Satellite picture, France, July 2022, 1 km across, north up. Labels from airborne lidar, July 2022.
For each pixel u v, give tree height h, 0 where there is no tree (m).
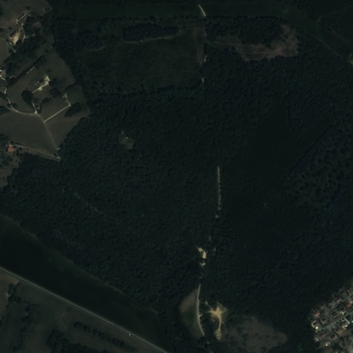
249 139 13
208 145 24
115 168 8
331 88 23
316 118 24
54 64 0
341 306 9
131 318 0
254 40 26
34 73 0
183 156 25
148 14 0
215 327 0
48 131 0
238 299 18
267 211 12
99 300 0
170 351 0
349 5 14
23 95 14
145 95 29
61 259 0
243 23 23
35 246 0
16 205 16
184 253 24
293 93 26
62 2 24
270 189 12
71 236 22
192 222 17
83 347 8
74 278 0
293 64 23
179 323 6
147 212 19
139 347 0
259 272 12
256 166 12
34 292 0
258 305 19
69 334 0
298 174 24
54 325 0
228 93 28
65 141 11
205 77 24
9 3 0
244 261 12
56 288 0
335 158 24
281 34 20
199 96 28
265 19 22
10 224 0
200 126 23
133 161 18
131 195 11
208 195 17
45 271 0
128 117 25
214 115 26
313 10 20
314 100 25
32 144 0
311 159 21
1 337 0
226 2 24
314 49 23
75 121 0
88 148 15
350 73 23
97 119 18
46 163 17
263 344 0
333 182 21
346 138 21
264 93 29
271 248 14
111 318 0
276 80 23
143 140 22
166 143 25
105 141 16
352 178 21
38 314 0
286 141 13
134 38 24
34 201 21
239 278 11
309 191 21
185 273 25
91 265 25
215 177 19
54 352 9
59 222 20
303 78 22
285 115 12
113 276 24
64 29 24
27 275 0
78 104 10
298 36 0
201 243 25
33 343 0
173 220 16
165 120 22
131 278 22
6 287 0
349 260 23
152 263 21
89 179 15
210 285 13
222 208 7
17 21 0
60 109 0
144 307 15
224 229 10
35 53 7
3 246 0
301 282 23
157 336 0
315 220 26
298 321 20
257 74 24
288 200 12
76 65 17
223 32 28
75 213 19
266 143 12
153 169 21
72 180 19
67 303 0
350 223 21
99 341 0
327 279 26
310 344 14
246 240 12
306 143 13
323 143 25
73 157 18
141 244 17
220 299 10
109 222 16
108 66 6
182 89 22
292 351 17
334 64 23
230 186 15
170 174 20
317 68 22
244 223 11
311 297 23
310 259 22
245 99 29
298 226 13
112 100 27
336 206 24
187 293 17
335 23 6
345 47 6
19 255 0
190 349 23
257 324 0
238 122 28
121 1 19
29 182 18
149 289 19
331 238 22
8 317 0
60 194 20
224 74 28
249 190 12
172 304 19
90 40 28
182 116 27
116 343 14
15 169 11
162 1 24
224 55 25
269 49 26
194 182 21
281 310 20
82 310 0
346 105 21
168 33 26
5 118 0
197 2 18
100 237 6
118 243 22
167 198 19
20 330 0
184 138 23
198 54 0
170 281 22
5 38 0
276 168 14
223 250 19
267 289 22
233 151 25
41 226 13
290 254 26
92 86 0
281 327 15
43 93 0
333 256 23
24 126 0
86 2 28
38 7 0
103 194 19
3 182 0
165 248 19
